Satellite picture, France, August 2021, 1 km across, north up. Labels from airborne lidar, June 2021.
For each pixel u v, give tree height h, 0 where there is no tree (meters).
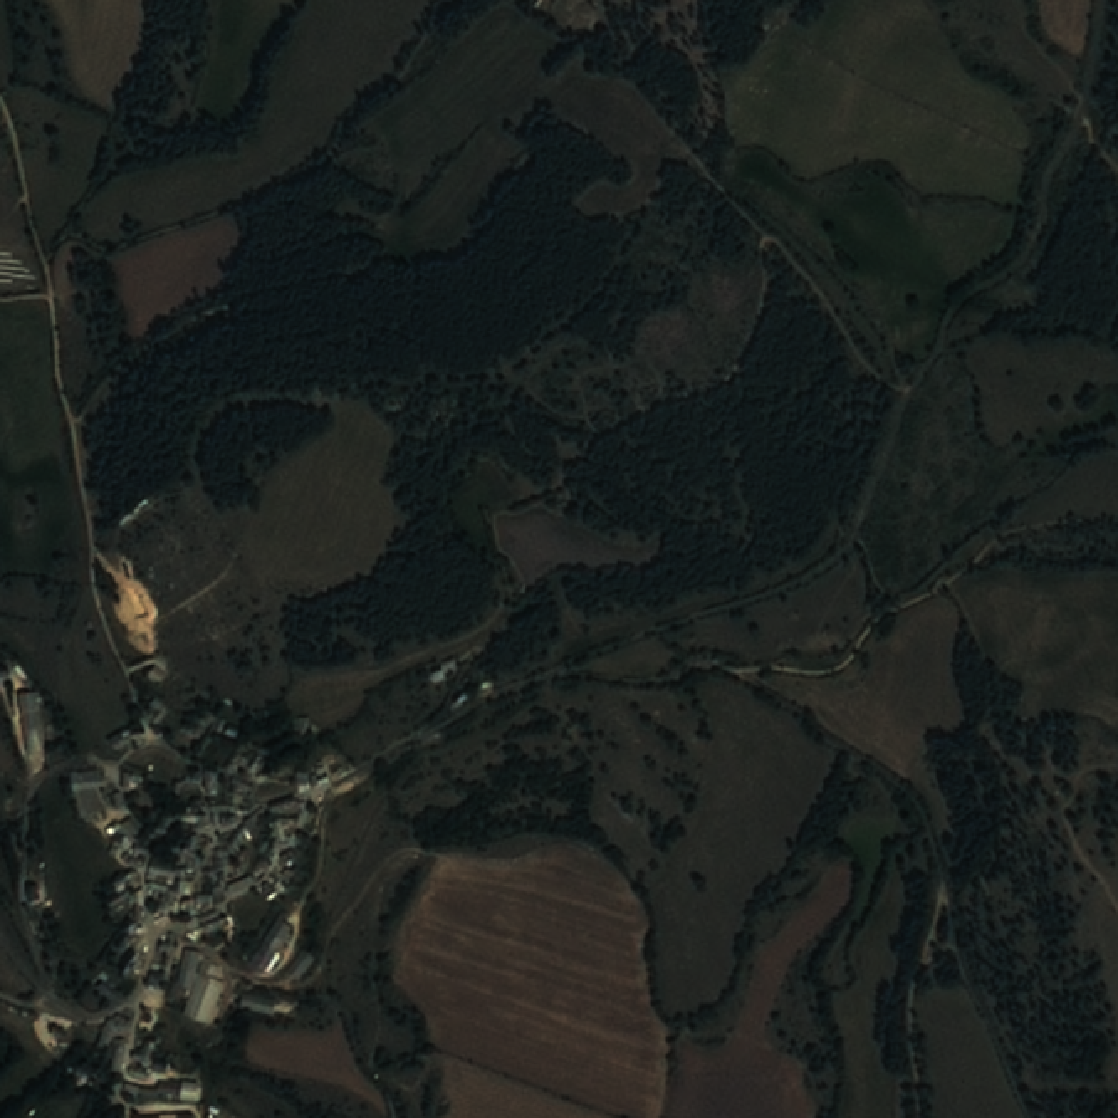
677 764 0
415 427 11
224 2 0
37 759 0
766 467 10
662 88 13
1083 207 11
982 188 0
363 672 0
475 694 13
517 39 0
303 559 0
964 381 0
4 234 0
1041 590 0
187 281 0
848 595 0
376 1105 0
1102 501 0
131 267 0
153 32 10
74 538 0
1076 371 0
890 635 8
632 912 0
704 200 7
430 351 14
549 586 8
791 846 13
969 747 18
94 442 10
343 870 0
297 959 0
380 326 14
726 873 0
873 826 0
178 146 17
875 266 0
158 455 14
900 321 0
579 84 0
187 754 11
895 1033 13
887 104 0
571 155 11
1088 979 9
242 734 12
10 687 7
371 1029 0
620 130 0
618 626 0
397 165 0
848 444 11
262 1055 0
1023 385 0
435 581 17
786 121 0
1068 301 16
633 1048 0
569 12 0
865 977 0
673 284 8
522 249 11
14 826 8
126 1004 0
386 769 9
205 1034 0
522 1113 0
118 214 0
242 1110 0
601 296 8
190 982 0
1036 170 9
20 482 0
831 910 0
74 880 0
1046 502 0
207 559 0
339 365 8
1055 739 15
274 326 17
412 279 17
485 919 0
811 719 11
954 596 8
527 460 15
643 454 10
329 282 15
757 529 10
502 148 0
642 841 0
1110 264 12
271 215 16
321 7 0
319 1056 0
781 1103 0
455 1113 0
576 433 10
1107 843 9
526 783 5
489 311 14
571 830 9
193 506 0
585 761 7
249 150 0
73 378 0
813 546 14
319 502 0
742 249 10
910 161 0
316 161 8
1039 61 0
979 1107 0
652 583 12
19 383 0
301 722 0
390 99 13
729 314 0
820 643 0
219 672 0
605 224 9
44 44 0
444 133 0
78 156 0
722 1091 0
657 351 0
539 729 9
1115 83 15
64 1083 10
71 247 0
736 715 0
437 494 18
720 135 12
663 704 0
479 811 7
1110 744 0
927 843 7
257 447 9
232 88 0
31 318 0
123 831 0
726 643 0
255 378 12
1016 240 9
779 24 0
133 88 13
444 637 12
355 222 13
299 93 0
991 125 0
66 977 8
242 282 16
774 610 0
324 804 0
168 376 7
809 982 7
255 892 7
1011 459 0
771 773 0
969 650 10
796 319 15
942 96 0
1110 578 0
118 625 0
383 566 9
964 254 0
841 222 0
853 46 0
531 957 0
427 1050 7
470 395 11
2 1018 0
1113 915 0
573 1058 0
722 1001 6
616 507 14
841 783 9
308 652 13
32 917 0
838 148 0
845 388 10
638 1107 0
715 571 11
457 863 0
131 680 6
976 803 18
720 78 8
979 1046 0
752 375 11
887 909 0
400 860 0
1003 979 15
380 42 0
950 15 6
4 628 0
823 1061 8
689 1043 0
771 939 0
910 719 0
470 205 0
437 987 0
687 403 9
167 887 0
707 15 8
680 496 8
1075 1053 11
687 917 0
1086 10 0
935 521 0
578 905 0
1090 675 0
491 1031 0
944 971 8
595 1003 0
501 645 16
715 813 0
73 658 0
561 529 0
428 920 0
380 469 0
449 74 0
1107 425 10
